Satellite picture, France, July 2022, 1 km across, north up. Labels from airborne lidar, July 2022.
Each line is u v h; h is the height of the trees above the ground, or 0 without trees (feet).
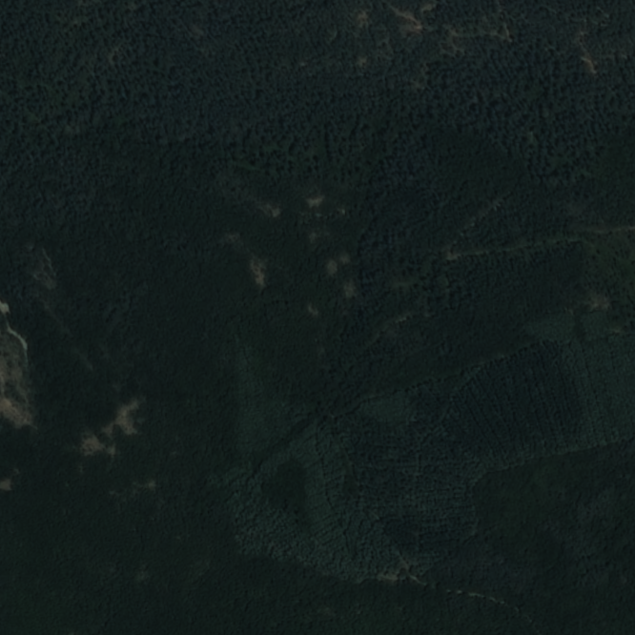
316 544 57
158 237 43
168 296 30
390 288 20
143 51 109
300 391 51
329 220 41
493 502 36
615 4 68
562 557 56
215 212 48
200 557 24
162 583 45
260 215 20
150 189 48
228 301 47
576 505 34
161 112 99
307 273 53
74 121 74
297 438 50
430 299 43
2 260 44
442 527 47
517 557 29
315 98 85
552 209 29
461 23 59
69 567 44
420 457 42
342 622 46
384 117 88
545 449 31
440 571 52
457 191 42
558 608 27
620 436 27
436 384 28
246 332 42
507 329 54
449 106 19
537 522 32
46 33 77
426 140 73
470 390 51
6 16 80
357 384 31
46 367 40
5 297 37
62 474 42
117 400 19
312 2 46
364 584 38
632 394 35
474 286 51
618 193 25
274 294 66
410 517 56
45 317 32
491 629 52
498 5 54
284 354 45
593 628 24
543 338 41
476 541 51
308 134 92
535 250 24
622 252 30
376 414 35
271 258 33
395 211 23
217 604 45
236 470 49
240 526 48
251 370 29
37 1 73
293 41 72
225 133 71
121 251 37
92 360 33
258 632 53
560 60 75
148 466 39
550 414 47
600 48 38
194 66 73
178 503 41
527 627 46
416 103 83
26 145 68
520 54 70
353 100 74
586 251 31
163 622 47
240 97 68
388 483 52
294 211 40
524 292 34
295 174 81
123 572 46
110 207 26
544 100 29
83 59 80
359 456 59
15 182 50
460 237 26
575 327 29
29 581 34
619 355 35
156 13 81
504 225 37
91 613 47
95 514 50
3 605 23
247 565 52
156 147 54
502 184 50
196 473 39
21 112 75
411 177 84
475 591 36
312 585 55
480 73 59
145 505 27
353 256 47
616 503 57
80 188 43
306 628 50
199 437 43
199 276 37
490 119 23
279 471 49
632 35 65
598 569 82
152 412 45
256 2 77
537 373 39
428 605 57
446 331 46
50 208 75
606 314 33
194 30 50
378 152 40
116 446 19
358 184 40
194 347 39
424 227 42
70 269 24
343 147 88
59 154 26
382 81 56
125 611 48
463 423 46
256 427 37
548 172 81
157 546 31
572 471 23
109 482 43
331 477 52
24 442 31
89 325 35
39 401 26
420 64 74
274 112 83
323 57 74
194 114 88
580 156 73
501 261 60
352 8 49
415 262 51
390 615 59
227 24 50
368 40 55
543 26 37
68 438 33
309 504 52
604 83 74
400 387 28
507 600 52
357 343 49
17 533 36
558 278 33
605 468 35
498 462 36
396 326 20
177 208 55
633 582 51
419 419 41
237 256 30
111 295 34
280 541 42
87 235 50
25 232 42
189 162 59
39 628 33
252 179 26
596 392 41
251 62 77
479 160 49
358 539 53
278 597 49
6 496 30
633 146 39
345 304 35
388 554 53
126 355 28
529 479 20
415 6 45
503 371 53
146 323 31
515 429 51
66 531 41
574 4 55
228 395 52
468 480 38
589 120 69
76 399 38
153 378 36
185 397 55
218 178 65
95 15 92
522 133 80
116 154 58
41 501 37
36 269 24
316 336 35
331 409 28
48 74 81
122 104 86
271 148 76
